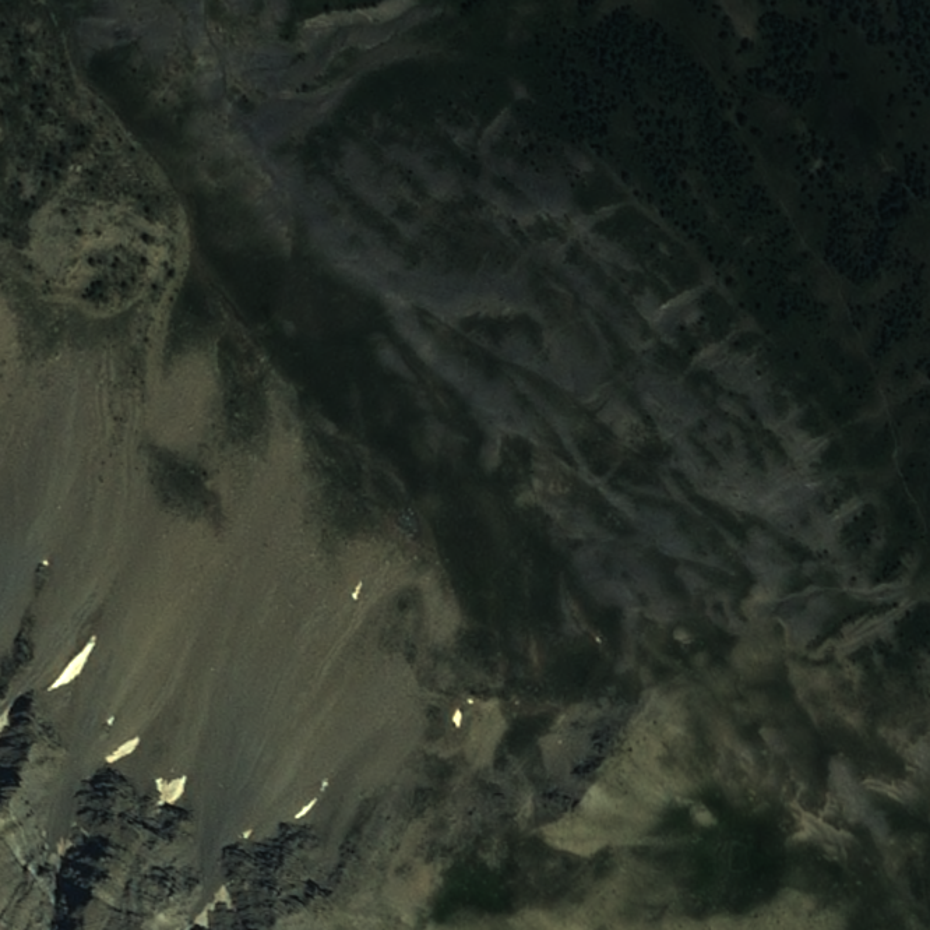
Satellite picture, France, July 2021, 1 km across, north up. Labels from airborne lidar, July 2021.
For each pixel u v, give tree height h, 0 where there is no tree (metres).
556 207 0
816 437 0
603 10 0
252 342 0
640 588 0
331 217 0
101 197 0
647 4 0
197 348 0
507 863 0
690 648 0
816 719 0
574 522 0
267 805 0
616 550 0
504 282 0
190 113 0
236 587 0
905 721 0
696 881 0
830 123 0
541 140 7
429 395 0
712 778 0
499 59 0
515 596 0
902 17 9
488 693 0
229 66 0
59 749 0
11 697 0
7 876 0
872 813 0
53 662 0
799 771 0
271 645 0
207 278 0
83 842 0
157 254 0
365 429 0
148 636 0
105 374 0
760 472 0
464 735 0
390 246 0
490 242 0
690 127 6
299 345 0
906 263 8
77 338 0
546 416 0
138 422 0
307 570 0
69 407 0
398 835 0
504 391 0
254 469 0
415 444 0
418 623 0
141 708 0
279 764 0
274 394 0
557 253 0
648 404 0
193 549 0
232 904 0
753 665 0
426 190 0
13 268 0
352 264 0
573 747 0
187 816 0
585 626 0
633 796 0
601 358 0
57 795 0
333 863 0
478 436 0
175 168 0
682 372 0
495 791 0
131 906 0
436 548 0
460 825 0
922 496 0
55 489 0
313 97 0
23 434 0
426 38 0
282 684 0
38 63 0
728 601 0
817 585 0
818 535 0
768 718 0
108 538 0
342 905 0
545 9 0
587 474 0
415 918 0
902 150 8
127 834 0
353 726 0
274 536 0
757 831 0
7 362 0
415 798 0
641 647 0
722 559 0
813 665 0
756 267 9
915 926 0
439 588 0
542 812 0
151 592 0
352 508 0
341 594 0
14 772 0
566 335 0
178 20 0
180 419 0
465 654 0
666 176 8
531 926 0
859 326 7
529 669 0
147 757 0
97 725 0
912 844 0
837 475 0
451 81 0
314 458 0
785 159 0
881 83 0
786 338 0
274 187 0
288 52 0
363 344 0
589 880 0
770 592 0
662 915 0
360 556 0
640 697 0
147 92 0
